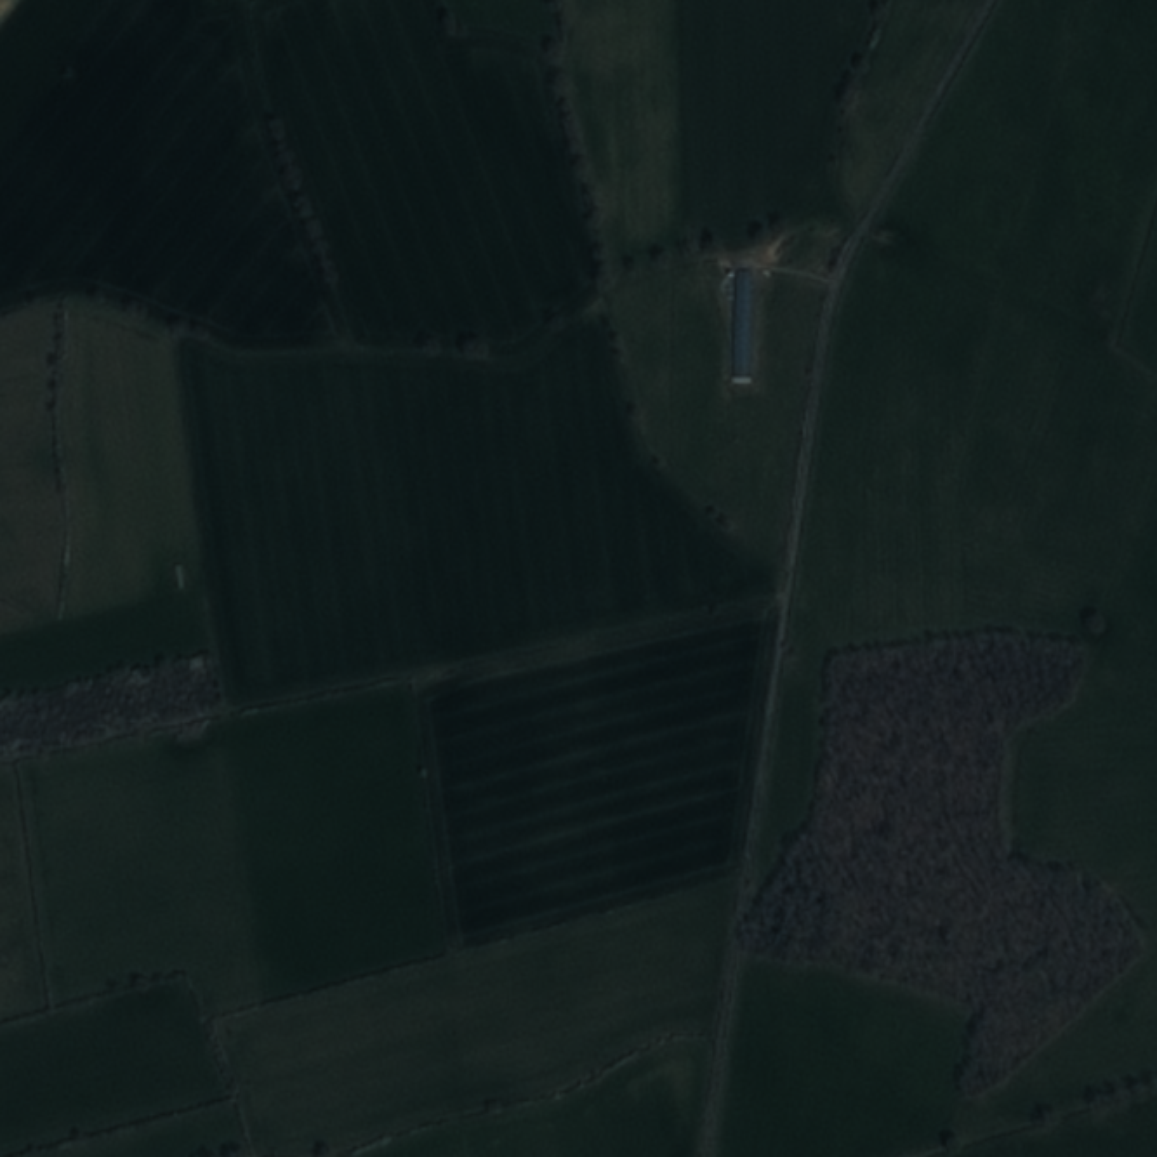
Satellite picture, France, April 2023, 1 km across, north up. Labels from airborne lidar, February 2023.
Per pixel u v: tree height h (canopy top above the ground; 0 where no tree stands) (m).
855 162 0
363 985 0
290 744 0
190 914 0
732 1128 0
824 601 0
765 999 0
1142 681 0
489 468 0
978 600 0
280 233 0
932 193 0
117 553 0
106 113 0
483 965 0
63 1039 0
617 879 0
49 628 0
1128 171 0
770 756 0
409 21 0
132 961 0
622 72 0
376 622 0
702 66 0
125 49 0
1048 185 0
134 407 0
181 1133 0
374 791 0
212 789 0
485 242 0
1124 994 0
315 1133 0
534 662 0
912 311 0
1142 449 0
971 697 20
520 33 0
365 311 0
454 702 0
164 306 0
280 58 0
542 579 0
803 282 0
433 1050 0
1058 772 0
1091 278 0
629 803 0
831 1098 0
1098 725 0
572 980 0
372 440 0
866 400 0
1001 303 0
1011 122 0
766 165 0
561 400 0
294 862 0
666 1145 0
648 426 0
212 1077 0
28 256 0
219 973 0
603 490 0
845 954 15
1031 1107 0
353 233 0
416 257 0
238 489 0
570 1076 0
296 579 0
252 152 0
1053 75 0
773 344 0
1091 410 0
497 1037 0
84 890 0
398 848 0
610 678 0
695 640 0
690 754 0
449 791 0
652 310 0
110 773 0
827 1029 0
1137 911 0
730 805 0
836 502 0
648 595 0
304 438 0
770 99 0
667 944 0
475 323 0
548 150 0
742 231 0
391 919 0
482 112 0
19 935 0
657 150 0
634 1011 0
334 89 0
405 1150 0
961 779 19
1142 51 0
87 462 0
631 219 0
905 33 0
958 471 0
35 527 0
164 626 0
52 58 0
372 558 0
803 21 0
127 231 0
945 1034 0
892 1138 0
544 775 0
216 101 0
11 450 0
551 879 0
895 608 0
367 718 0
